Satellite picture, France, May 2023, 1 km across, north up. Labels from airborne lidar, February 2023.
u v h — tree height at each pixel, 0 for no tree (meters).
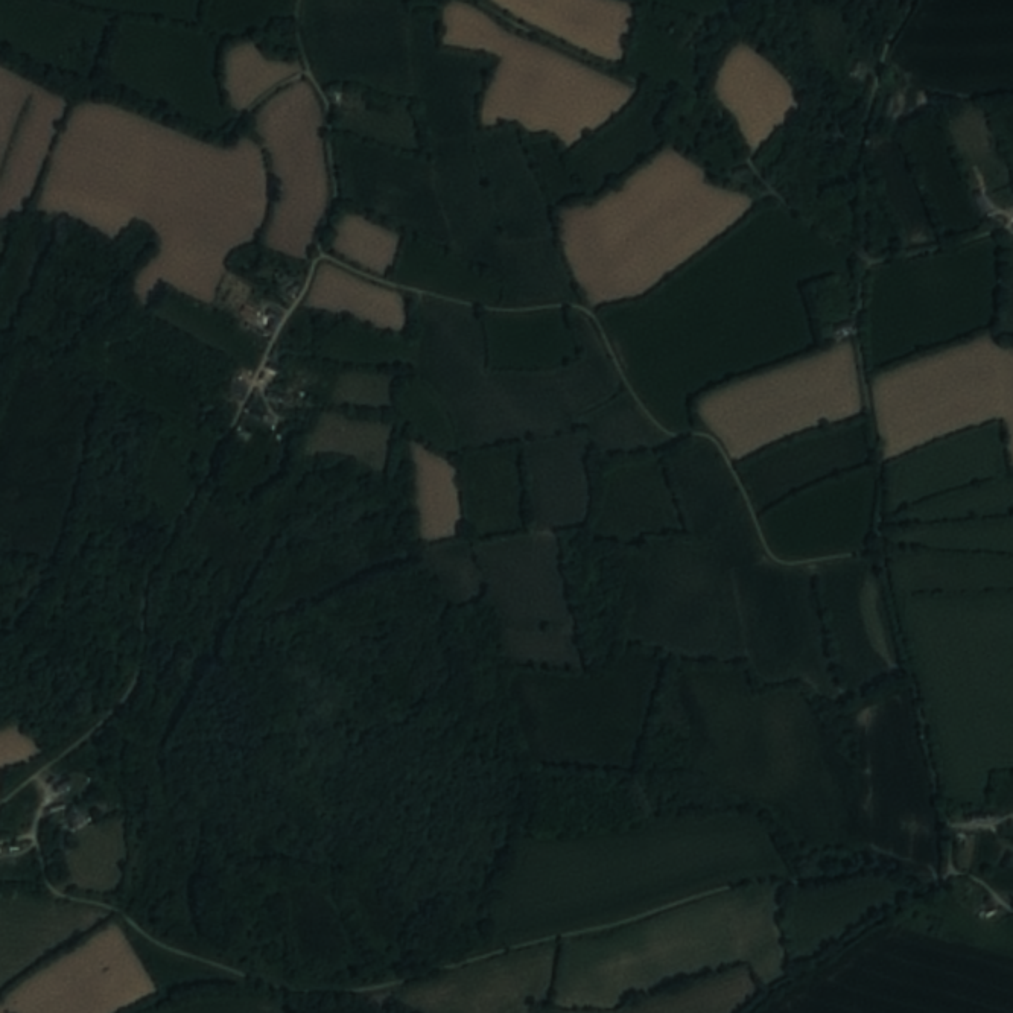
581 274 0
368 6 0
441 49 6
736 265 0
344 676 12
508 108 0
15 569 13
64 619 12
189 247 0
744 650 0
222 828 14
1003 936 0
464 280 0
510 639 0
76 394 0
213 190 0
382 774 12
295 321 0
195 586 8
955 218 0
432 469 0
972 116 0
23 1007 0
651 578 0
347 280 0
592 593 13
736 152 8
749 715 0
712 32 9
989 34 0
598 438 0
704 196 0
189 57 0
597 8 0
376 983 15
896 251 16
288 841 9
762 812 6
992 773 6
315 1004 8
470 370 0
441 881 8
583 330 0
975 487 11
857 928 8
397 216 0
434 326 0
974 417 0
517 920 0
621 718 0
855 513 0
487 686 10
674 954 0
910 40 0
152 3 0
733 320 0
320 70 0
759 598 0
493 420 0
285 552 14
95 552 16
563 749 0
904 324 0
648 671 0
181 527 10
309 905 0
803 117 14
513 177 0
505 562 0
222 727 25
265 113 0
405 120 0
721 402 0
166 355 19
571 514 0
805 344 0
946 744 0
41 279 10
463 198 0
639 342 0
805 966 14
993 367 0
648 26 0
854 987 0
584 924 0
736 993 0
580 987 0
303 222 0
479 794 10
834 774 0
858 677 0
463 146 0
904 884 21
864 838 0
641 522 0
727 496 0
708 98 15
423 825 13
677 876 0
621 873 0
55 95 14
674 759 6
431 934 20
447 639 16
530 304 0
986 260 0
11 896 8
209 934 20
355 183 0
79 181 0
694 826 0
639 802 21
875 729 0
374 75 0
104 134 0
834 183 6
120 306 14
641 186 0
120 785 9
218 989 17
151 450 10
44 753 6
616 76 7
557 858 0
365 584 20
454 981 0
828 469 0
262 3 0
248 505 6
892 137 15
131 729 6
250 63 0
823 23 0
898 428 0
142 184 0
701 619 0
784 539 0
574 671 9
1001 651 0
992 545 0
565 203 11
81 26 0
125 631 11
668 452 15
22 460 0
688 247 0
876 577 13
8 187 0
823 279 9
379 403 0
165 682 23
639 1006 14
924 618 0
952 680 0
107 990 0
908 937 0
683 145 8
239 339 0
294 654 7
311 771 7
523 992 0
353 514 9
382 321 0
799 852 12
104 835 0
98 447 15
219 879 24
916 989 0
